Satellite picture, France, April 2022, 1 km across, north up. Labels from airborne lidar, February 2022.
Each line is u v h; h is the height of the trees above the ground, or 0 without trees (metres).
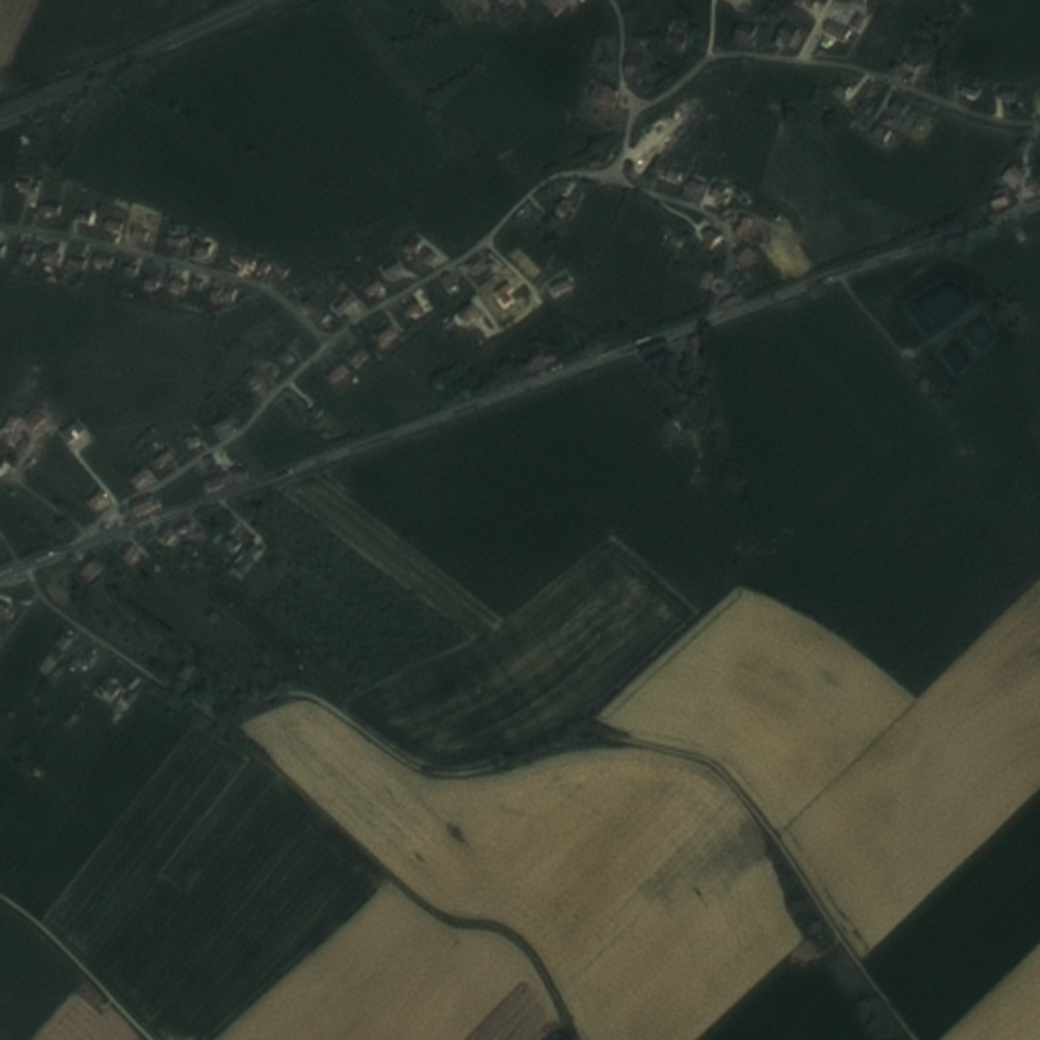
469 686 0
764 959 0
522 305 0
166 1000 0
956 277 0
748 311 0
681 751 0
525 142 0
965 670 0
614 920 0
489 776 0
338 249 0
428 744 0
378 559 0
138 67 20
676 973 0
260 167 0
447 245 0
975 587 0
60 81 0
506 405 0
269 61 0
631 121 0
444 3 0
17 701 0
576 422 0
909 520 0
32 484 0
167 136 0
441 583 0
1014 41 0
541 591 0
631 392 0
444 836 0
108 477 0
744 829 0
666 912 0
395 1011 0
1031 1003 0
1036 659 0
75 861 0
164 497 0
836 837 0
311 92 0
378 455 0
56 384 0
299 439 0
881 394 0
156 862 0
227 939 0
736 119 0
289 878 0
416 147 0
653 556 0
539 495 0
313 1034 0
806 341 0
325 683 0
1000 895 0
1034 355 0
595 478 0
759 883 0
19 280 0
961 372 0
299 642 0
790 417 0
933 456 0
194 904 0
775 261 0
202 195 0
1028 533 0
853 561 0
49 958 0
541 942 0
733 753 0
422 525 0
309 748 0
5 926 0
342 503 0
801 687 0
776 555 0
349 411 0
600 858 0
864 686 0
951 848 0
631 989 0
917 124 0
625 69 0
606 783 0
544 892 0
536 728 0
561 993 0
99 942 0
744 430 0
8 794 0
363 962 0
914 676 0
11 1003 0
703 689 0
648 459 0
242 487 0
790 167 0
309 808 0
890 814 0
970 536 0
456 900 0
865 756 0
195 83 0
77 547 0
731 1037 0
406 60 0
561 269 0
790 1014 0
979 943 0
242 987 0
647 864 0
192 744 0
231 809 0
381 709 0
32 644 0
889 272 0
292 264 0
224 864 0
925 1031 0
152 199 0
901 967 0
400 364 0
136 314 0
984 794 0
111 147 0
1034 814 0
